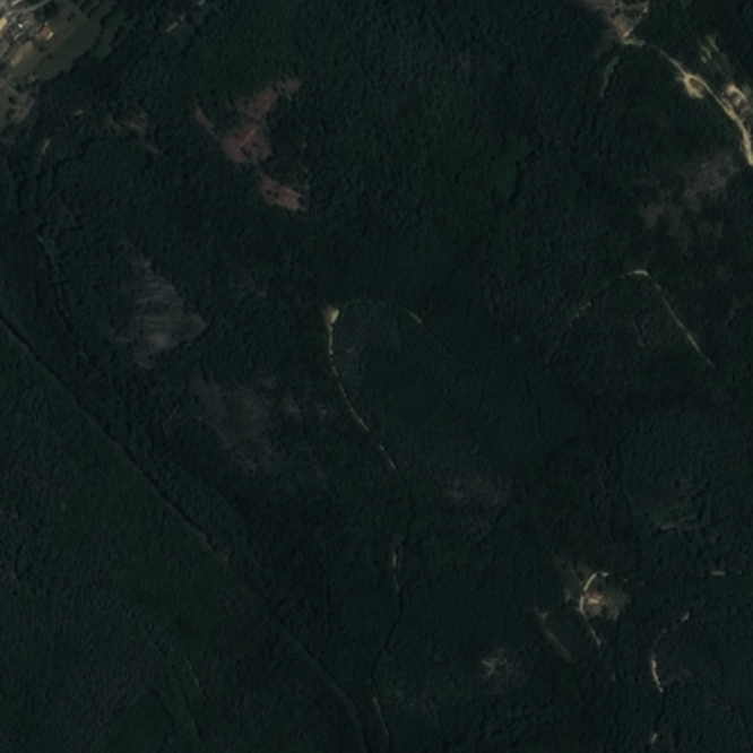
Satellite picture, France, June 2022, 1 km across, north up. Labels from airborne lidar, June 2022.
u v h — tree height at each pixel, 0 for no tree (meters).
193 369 23
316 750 10
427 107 20
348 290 16
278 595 26
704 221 5
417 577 14
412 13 13
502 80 16
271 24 15
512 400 19
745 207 20
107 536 21
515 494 6
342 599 17
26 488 16
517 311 19
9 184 6
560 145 22
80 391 23
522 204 25
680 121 9
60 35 0
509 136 25
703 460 20
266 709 24
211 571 17
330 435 14
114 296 22
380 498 14
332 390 14
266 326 25
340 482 9
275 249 20
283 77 16
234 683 27
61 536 20
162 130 16
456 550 17
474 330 18
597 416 13
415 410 9
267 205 17
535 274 10
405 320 11
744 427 15
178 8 26
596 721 17
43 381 22
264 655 20
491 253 21
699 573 16
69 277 25
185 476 28
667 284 17
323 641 11
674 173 9
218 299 6
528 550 15
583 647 7
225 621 12
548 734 23
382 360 15
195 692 13
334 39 30
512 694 12
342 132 16
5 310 31
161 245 25
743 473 19
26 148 14
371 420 10
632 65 15
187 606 17
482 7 34
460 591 20
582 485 21
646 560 28
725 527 28
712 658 7
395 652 14
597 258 11
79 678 18
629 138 12
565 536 8
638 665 9
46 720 16
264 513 18
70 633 22
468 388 15
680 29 15
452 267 16
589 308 8
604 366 16
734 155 9
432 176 18
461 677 17
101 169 27
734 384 12
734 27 19
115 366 26
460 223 22
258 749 19
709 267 11
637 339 16
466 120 19
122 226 22
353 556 12
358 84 22
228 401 6
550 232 16
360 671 16
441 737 19
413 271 12
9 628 21
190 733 12
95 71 19
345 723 18
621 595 0
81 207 16
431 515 19
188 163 16
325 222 21
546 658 11
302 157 12
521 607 14
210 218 12
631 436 21
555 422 17
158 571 15
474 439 12
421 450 16
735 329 18
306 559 9
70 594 26
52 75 0
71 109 7
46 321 22
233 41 18
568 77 27
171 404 12
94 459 22
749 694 18
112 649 23
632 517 29
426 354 16
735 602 18
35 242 21
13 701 12
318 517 10
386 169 23
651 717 20
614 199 17
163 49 17
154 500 25
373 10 23
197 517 27
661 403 18
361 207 20
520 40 33
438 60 23
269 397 7
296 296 8
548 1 7
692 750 22
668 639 9
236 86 15
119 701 26
